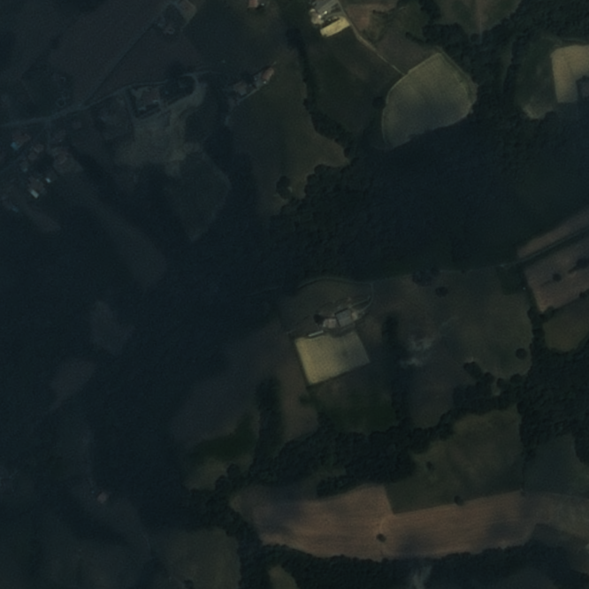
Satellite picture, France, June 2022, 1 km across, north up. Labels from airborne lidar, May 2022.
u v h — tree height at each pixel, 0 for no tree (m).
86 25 0
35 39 0
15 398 19
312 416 0
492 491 0
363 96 0
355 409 0
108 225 0
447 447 0
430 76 0
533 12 24
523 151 10
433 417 0
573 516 0
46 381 6
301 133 0
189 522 23
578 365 24
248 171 18
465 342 0
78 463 0
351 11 0
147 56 0
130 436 7
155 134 0
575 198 0
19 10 0
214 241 18
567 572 18
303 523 0
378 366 0
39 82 0
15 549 0
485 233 0
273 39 0
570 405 25
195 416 0
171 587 0
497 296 0
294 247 17
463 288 0
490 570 6
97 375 7
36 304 21
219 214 20
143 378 10
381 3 0
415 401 0
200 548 0
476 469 0
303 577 15
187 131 0
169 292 27
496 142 14
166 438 11
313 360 0
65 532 0
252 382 0
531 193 0
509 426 0
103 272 0
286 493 0
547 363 20
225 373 0
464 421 0
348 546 0
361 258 9
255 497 0
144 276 0
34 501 0
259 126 0
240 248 26
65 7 0
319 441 17
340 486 14
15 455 21
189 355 14
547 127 25
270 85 0
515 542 0
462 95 0
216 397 0
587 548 0
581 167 6
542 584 0
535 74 0
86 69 0
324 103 0
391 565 20
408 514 0
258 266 18
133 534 0
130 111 0
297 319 0
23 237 24
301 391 0
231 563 0
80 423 0
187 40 0
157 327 23
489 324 0
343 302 0
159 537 0
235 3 0
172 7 0
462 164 23
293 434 0
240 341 0
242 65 0
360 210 23
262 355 0
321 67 0
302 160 0
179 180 0
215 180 0
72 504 14
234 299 13
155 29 13
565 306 0
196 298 20
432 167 21
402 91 0
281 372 0
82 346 19
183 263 30
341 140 16
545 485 0
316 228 23
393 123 0
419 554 0
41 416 22
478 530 0
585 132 13
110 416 29
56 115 0
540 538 0
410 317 0
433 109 0
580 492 0
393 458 25
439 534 0
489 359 0
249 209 22
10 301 23
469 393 21
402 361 14
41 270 19
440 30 9
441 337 0
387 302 0
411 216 13
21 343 10
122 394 22
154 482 21
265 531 0
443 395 0
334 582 16
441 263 0
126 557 0
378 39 0
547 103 0
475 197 11
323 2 0
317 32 0
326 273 7
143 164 0
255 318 14
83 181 0
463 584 14
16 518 9
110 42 0
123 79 0
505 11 0
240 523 13
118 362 18
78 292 20
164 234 27
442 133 22
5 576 0
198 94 0
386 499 0
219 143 20
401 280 0
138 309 20
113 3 0
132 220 14
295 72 0
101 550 0
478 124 24
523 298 0
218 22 0
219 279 20
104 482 16
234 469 15
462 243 23
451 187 7
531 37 24
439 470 0
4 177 0
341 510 0
